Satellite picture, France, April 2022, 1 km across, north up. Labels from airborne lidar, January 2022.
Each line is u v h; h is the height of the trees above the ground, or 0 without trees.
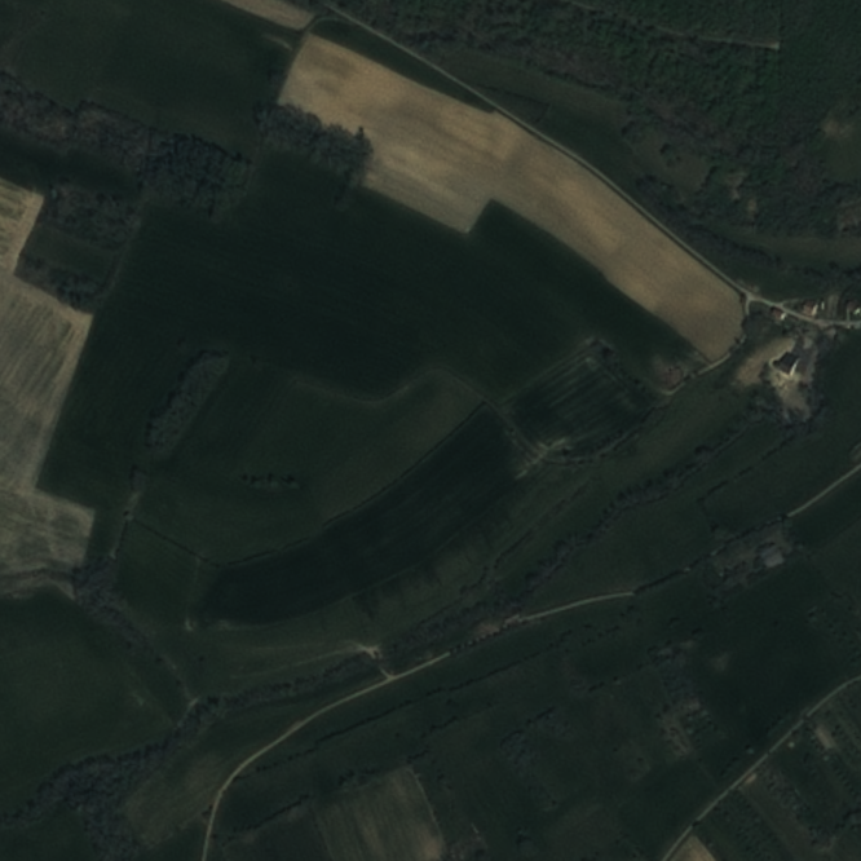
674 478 18
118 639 0
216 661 0
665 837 0
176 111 0
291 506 0
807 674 0
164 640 0
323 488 0
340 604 0
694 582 0
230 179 16
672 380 0
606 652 0
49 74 0
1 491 0
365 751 0
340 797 0
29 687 0
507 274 0
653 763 0
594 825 0
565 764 0
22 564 0
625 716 0
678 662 12
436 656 0
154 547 0
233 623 0
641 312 0
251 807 0
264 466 0
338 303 0
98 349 0
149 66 0
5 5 0
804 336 0
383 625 0
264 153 0
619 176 0
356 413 0
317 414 0
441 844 0
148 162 11
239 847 0
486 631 0
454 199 0
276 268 0
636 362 0
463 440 0
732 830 0
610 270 0
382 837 0
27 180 0
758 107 9
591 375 0
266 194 0
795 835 0
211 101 0
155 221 0
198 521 0
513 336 0
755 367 0
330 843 0
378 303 0
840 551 0
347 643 0
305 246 0
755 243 0
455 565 0
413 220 0
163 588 0
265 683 0
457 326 0
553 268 0
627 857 0
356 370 0
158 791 0
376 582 0
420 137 0
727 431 0
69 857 0
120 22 0
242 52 0
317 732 0
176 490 0
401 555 0
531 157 0
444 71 0
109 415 0
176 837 0
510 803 0
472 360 0
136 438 0
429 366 0
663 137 20
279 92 7
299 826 0
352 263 0
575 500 0
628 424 0
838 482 0
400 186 0
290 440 0
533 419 0
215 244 0
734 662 0
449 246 0
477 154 0
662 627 0
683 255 0
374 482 0
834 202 15
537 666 0
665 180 0
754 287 0
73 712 0
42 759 0
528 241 0
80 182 0
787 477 0
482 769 0
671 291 0
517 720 0
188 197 19
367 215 0
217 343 0
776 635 0
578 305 0
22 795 0
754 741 0
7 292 0
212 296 0
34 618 0
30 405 0
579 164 0
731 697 0
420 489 0
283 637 0
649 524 0
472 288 0
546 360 0
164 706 0
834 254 0
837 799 0
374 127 0
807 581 0
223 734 0
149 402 0
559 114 0
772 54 10
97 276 0
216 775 0
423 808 0
